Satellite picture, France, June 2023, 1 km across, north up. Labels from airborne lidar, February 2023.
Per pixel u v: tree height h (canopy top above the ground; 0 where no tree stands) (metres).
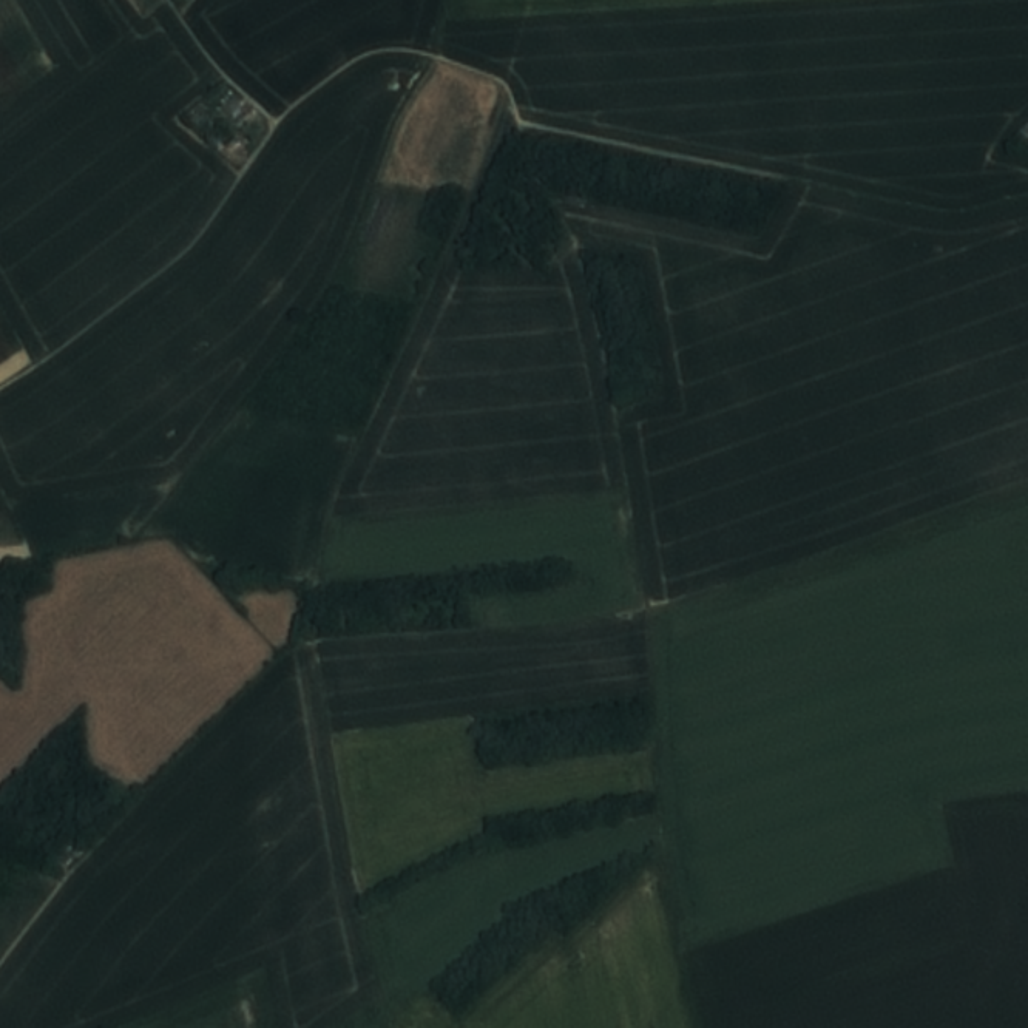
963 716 0
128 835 0
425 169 0
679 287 0
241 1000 0
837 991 0
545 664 0
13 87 0
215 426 0
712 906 0
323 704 0
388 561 0
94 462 0
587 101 0
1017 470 0
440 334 0
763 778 0
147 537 0
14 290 0
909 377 0
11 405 0
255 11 0
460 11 0
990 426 0
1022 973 0
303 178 0
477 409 0
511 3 0
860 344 0
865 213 0
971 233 0
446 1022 0
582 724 21
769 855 0
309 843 0
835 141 0
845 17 0
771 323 0
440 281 0
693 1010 0
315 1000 0
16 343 0
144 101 0
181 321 0
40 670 0
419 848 0
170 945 0
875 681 0
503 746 21
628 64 0
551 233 20
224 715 0
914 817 0
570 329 0
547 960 0
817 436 0
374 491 0
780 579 0
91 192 0
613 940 0
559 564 12
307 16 0
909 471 0
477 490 0
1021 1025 0
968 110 0
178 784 0
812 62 0
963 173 0
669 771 0
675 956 0
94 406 0
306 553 0
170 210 0
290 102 0
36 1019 0
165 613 0
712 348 0
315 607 16
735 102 0
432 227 9
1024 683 0
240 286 0
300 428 0
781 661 0
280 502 0
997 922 0
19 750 0
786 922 0
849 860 0
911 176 0
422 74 0
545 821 14
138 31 0
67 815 20
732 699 0
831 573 0
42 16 0
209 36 0
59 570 0
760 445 0
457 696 0
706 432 0
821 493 0
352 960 0
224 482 0
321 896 0
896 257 0
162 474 0
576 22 0
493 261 17
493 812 0
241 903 0
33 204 0
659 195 8
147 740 0
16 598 15
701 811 0
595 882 18
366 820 0
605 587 0
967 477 0
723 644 0
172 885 0
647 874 0
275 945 0
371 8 0
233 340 0
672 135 0
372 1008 0
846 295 0
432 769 0
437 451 0
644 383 15
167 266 0
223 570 6
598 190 15
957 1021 0
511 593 15
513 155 15
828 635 0
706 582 0
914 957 0
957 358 0
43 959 0
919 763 0
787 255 0
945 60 0
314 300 0
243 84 0
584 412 0
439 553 0
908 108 0
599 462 0
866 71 0
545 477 0
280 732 0
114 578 0
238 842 0
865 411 0
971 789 0
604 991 0
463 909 0
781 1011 0
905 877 0
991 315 0
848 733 0
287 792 0
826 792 0
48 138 0
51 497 0
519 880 0
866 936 0
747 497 0
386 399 0
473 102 0
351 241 0
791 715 0
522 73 0
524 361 0
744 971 0
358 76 0
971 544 0
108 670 0
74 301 0
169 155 0
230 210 0
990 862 0
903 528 0
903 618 0
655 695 0
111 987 0
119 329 0
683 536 0
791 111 0
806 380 0
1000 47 0
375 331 6
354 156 0
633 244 0
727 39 0
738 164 0
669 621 0
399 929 0
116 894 0
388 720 0
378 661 0
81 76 0
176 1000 0
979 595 0
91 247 0
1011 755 0
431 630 15
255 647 0
